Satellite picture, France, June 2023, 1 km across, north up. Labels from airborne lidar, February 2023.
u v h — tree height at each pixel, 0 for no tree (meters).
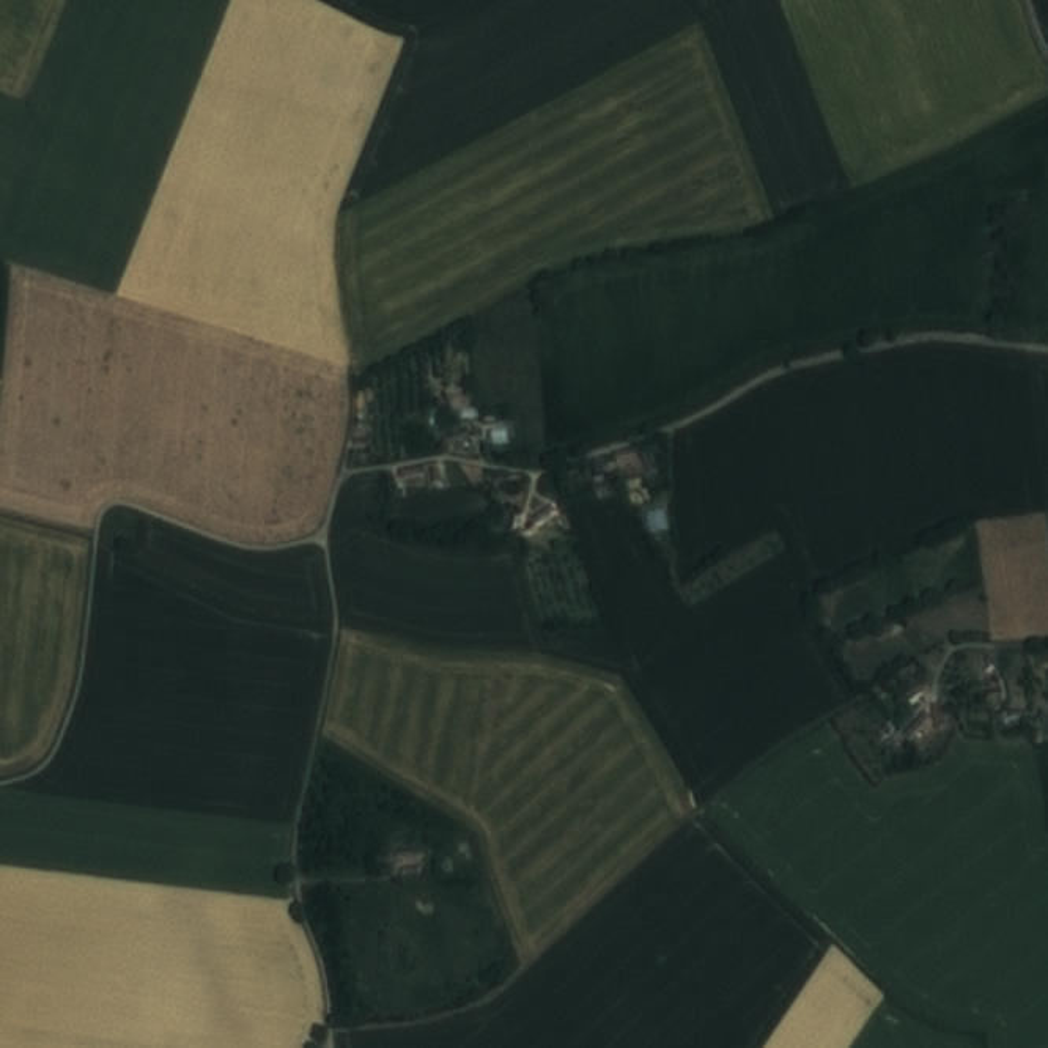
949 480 0
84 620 0
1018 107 0
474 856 0
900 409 0
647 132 0
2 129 0
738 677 0
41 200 0
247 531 0
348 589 0
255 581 0
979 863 0
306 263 0
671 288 0
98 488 0
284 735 0
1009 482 0
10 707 0
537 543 0
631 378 0
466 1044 0
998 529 0
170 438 0
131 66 0
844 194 0
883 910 0
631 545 0
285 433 0
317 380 0
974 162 0
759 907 0
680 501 0
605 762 0
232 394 0
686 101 0
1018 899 0
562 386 0
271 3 0
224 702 0
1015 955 0
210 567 0
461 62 0
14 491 0
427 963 0
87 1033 0
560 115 0
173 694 0
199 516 0
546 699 0
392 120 0
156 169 0
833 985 0
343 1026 16
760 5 0
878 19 0
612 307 0
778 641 0
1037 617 0
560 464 18
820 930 0
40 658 0
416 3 0
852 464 0
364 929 0
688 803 0
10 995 0
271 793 0
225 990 0
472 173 0
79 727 0
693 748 0
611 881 0
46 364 0
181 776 0
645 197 0
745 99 0
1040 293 0
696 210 0
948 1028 0
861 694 11
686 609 0
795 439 0
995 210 10
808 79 0
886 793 0
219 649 0
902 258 0
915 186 0
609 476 6
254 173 0
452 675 0
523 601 0
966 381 0
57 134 0
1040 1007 0
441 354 7
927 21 0
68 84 0
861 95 0
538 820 0
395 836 0
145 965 0
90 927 0
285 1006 0
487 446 11
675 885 0
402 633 0
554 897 0
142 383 0
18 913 0
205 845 0
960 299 0
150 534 0
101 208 0
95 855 0
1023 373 0
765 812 0
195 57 0
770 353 0
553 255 0
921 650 0
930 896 0
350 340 0
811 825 0
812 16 0
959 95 0
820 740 0
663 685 0
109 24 0
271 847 0
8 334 0
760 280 0
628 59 0
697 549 0
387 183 0
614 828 0
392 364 13
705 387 0
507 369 0
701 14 0
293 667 0
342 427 0
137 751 0
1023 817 0
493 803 0
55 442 0
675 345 0
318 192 0
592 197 0
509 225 0
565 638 0
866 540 0
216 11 0
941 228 0
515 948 0
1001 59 0
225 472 0
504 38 0
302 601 0
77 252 0
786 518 0
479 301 0
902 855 0
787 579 0
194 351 0
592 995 0
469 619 0
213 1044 0
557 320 0
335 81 0
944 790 0
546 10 0
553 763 0
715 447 0
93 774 0
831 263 0
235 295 0
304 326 0
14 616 0
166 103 0
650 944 0
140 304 0
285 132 0
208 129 0
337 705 0
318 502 0
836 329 0
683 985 0
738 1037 0
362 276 0
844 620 0
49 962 0
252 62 0
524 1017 0
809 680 0
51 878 0
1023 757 0
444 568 0
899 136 0
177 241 0
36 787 0
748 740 0
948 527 15
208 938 0
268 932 0
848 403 0
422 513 0
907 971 0
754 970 0
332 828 6
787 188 0
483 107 0
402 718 0
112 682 0
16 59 0
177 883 0
